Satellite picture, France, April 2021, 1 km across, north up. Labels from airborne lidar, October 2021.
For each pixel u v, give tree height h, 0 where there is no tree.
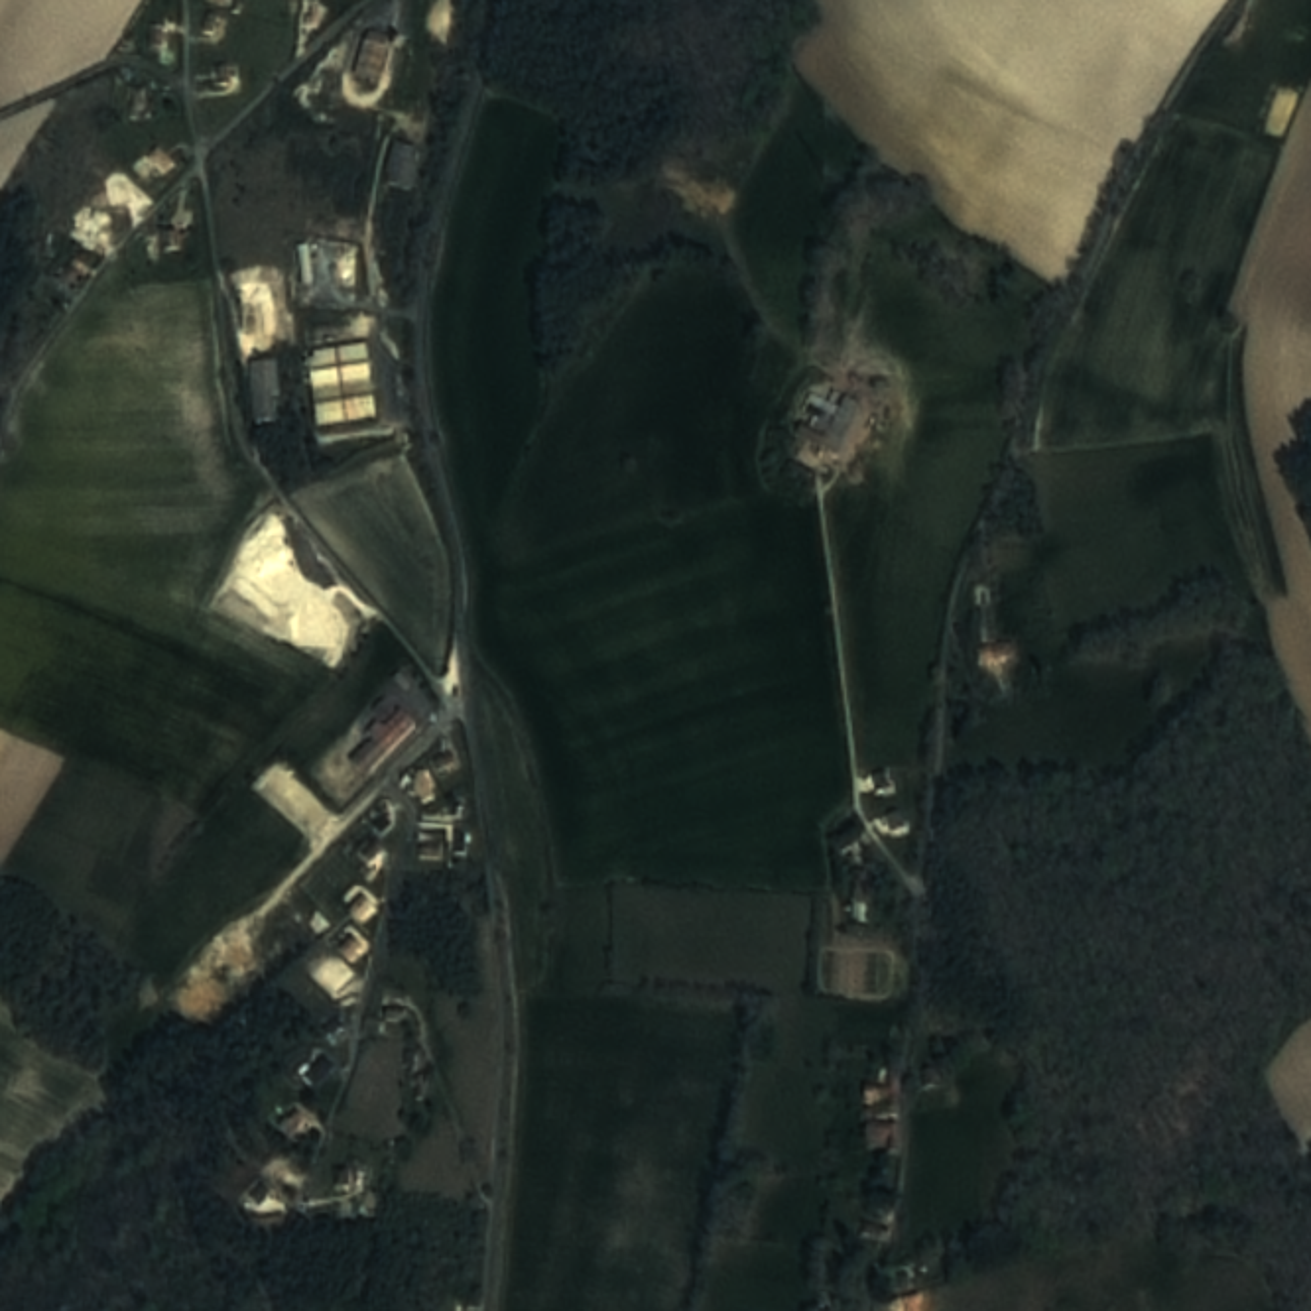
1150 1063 18
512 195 0
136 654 0
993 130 0
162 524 0
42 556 0
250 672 0
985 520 13
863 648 0
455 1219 7
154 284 0
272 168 0
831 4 0
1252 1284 0
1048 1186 22
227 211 0
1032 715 0
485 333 0
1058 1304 0
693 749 0
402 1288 11
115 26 0
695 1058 0
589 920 0
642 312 0
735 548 0
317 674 0
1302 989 23
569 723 0
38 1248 11
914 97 0
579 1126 0
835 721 0
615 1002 0
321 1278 15
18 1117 0
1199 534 0
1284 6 0
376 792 0
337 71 0
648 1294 0
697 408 0
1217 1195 27
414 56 0
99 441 0
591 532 0
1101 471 0
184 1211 13
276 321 0
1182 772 27
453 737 0
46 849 0
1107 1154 22
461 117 13
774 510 0
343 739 0
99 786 0
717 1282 0
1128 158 17
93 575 0
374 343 0
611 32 22
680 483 0
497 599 0
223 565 0
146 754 0
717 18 16
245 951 0
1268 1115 23
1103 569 0
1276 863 19
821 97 0
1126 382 0
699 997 11
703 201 0
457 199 0
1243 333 0
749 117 14
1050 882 25
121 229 0
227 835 0
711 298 0
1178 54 0
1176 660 0
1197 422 0
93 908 0
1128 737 0
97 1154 21
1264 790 22
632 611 0
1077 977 21
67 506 0
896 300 0
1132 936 24
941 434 0
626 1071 0
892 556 0
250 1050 16
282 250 0
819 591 0
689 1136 0
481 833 0
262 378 0
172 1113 17
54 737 0
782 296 0
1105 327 0
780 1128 0
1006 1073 0
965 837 23
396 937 9
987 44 0
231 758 0
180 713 0
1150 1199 22
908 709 0
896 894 17
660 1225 0
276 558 0
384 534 0
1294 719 21
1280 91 0
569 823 0
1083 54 0
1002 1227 15
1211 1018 20
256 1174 0
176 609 0
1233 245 0
